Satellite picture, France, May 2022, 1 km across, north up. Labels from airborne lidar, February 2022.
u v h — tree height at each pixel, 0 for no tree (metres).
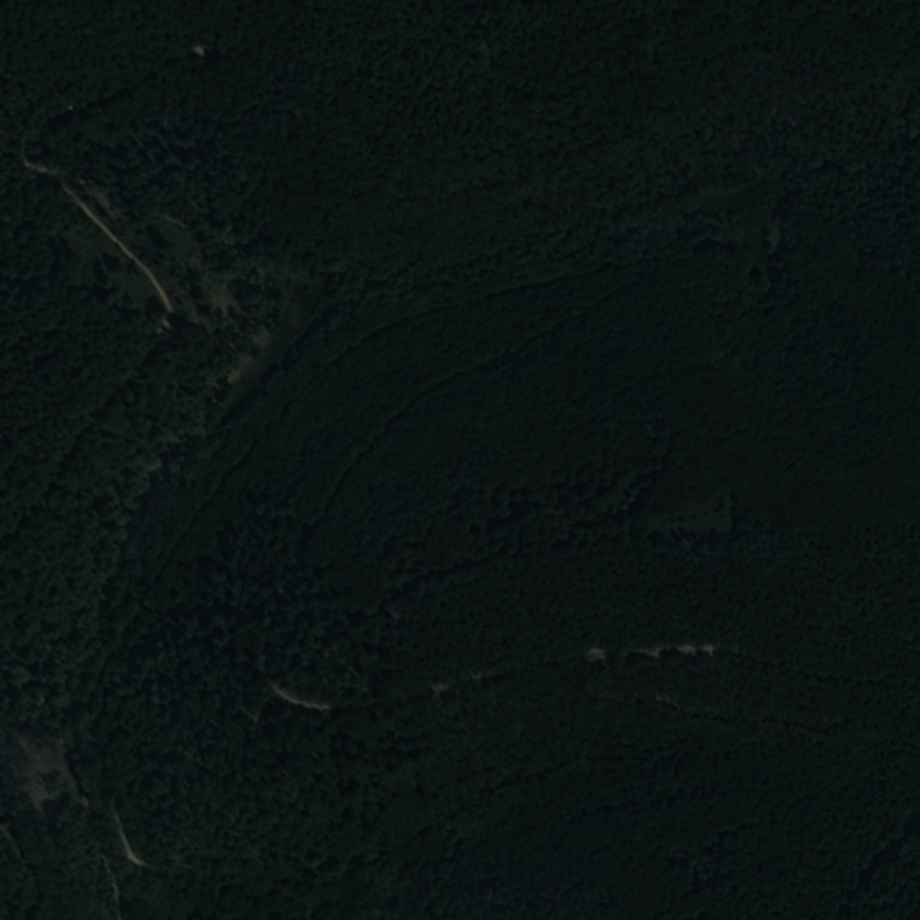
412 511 24
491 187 23
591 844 20
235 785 26
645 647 16
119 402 34
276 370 15
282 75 22
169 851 27
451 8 27
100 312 30
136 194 37
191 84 28
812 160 25
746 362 24
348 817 9
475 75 26
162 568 25
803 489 20
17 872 24
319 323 13
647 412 24
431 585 20
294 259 20
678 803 25
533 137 27
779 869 15
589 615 20
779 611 19
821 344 29
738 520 19
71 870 22
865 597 21
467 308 21
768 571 17
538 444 26
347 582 18
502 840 22
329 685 33
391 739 29
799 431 24
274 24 24
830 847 22
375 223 19
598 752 18
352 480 21
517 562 18
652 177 30
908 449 22
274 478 23
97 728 23
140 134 41
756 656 18
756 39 22
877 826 22
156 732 27
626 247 20
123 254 0
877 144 32
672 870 19
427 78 24
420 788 15
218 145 37
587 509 22
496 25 26
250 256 34
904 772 27
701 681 16
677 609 19
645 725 18
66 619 36
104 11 24
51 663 34
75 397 30
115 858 27
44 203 30
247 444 23
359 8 24
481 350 26
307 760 31
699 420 21
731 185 23
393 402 21
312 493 21
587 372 22
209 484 22
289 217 23
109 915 22
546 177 30
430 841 16
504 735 23
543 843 18
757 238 0
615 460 23
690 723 21
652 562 21
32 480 28
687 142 27
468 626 21
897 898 25
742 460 24
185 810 31
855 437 24
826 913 25
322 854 11
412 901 20
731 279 24
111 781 21
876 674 19
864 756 22
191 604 12
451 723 24
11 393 29
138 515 32
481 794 19
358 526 19
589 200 29
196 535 24
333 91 22
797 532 20
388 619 31
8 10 26
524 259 26
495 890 19
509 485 22
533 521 21
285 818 24
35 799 0
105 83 27
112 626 26
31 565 30
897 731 22
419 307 23
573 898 20
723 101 30
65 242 0
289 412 24
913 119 35
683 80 24
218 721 28
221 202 29
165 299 0
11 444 31
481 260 28
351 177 25
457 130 28
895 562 19
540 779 20
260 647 9
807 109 25
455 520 23
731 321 25
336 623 29
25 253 38
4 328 30
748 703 19
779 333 25
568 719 17
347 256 23
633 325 24
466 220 22
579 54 28
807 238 20
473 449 20
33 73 30
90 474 40
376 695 33
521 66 28
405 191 22
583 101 27
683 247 19
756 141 24
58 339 28
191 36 25
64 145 39
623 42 28
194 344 26
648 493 22
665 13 26
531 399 21
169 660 29
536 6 25
